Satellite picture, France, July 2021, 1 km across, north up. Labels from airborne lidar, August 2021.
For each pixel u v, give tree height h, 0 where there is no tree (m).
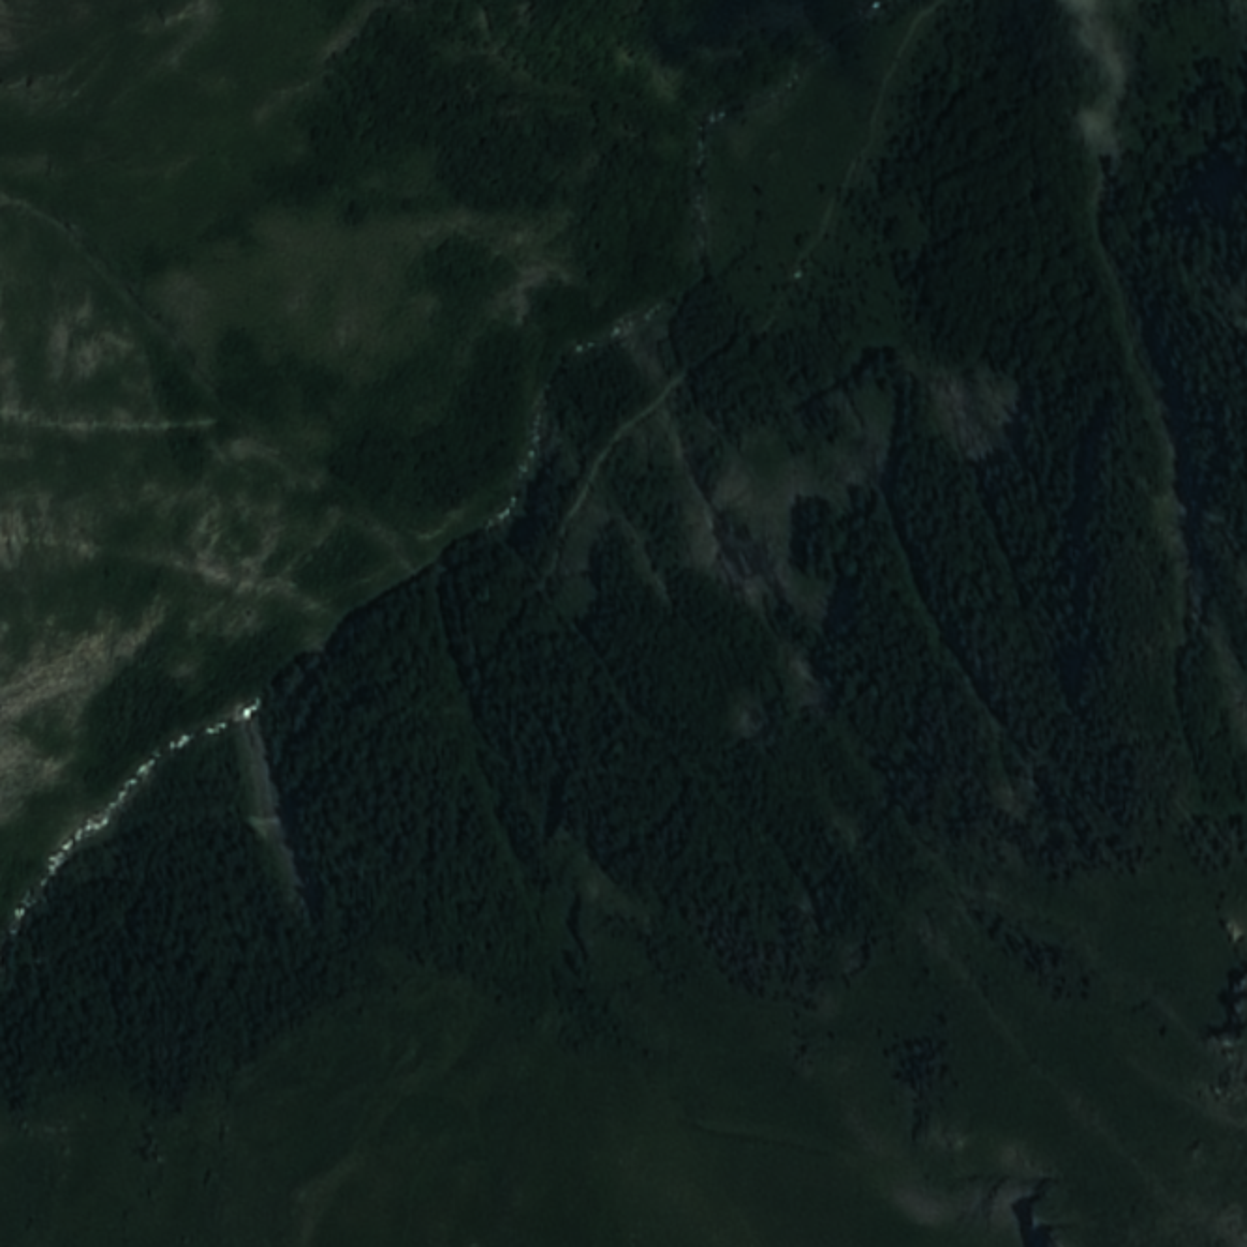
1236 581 9
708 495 0
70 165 0
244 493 0
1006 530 18
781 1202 0
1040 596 12
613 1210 0
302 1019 10
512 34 16
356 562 6
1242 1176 0
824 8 20
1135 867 9
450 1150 0
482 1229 0
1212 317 9
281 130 0
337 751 10
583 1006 8
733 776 10
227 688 11
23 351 0
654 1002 0
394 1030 0
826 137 0
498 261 8
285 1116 0
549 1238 0
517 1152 0
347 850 12
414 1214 0
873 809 7
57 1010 13
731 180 0
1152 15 6
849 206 6
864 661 21
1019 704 7
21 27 0
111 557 0
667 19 18
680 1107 0
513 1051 0
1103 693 9
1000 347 17
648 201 24
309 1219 0
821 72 0
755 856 13
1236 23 9
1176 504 0
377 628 22
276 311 0
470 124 20
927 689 15
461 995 0
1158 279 20
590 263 14
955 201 16
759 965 10
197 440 13
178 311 0
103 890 16
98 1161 0
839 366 7
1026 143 23
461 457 10
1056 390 20
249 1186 0
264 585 0
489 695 19
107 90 0
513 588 15
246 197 0
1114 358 16
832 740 8
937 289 22
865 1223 0
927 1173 0
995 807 10
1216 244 18
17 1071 9
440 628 16
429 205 5
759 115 0
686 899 8
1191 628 8
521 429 12
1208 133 15
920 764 15
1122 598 8
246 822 9
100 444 0
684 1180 0
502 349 8
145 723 22
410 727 20
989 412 0
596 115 13
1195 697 8
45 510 0
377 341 0
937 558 20
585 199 8
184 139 0
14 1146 0
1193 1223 0
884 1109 0
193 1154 0
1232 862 9
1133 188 17
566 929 0
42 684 0
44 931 15
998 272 22
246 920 16
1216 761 12
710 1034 0
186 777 7
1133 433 16
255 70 0
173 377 10
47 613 0
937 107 16
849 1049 0
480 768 5
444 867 11
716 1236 0
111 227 0
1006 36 12
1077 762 14
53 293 0
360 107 18
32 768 0
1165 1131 0
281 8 0
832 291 6
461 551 9
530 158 21
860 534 20
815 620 8
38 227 0
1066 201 21
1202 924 0
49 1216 0
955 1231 0
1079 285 16
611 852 7
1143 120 12
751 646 12
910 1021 0
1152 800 8
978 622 18
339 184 6
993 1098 0
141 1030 11
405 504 6
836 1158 0
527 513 0
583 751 25
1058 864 11
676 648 11
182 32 0
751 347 13
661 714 12
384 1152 0
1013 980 0
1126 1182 0
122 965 12
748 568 0
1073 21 9
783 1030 0
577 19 20
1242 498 10
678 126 9
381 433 9
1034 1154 0
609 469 7
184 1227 0
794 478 0
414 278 5
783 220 0
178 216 0
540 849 11
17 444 0
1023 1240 0
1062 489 20
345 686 7
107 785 12
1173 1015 0
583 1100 0
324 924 11
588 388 6
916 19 0
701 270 8
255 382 5
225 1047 8
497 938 10
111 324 0
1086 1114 0
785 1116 0
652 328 0
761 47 17
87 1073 9
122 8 0
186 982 12
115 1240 0
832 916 10
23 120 0
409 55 17
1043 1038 0
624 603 17
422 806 23
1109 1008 0
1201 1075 0
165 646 7
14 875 8
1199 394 10
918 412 16
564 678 20
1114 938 0
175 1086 8
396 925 9
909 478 19
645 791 14
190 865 14
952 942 0
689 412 10
